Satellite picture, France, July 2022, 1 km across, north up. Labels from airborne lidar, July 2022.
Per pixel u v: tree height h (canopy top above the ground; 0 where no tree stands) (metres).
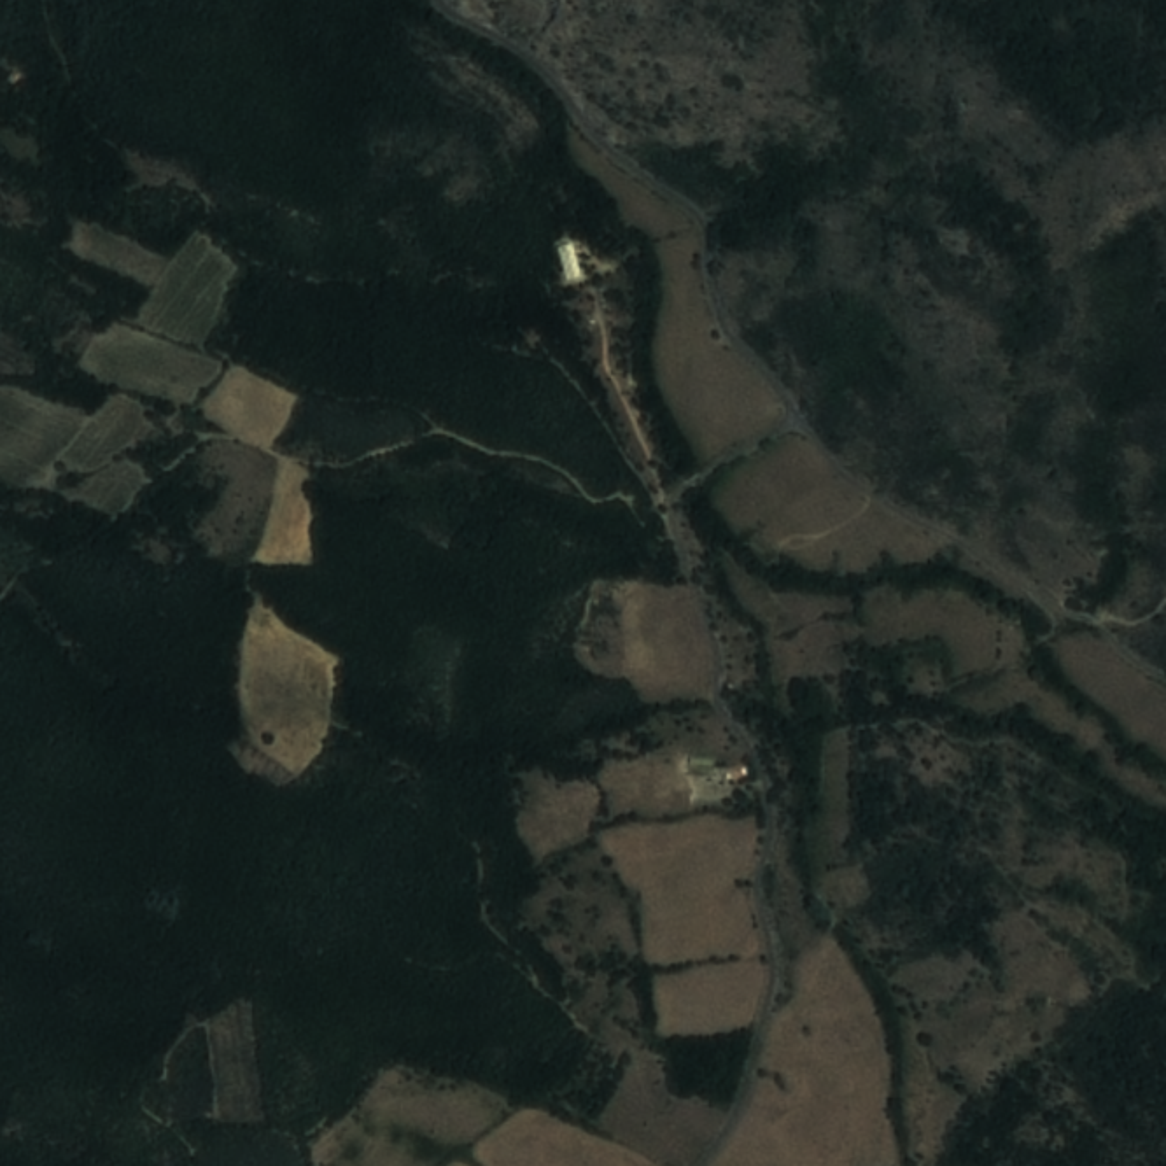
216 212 5
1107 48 7
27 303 7
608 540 8
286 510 0
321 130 9
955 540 0
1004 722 11
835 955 0
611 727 12
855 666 8
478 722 6
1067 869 0
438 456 7
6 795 10
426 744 9
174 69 6
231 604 7
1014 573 0
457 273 8
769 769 9
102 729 14
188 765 6
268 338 7
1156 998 9
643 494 6
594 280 8
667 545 7
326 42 17
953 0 8
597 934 0
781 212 8
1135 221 7
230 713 7
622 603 0
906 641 7
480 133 6
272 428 0
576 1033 8
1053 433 0
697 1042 9
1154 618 8
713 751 0
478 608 8
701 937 0
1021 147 0
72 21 8
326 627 7
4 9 6
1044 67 9
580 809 0
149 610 10
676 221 0
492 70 12
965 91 0
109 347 0
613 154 0
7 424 0
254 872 7
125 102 6
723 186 10
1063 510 0
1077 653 0
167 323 0
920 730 10
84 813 8
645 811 0
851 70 5
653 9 0
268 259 10
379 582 6
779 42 0
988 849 0
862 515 0
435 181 8
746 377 0
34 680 10
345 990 8
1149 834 14
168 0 11
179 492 9
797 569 8
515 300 13
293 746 0
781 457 0
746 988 0
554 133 8
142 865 8
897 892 8
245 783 7
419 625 7
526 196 11
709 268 11
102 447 0
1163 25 7
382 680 10
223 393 0
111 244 0
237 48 7
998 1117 6
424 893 10
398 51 10
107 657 7
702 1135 0
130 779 10
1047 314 7
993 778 8
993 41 7
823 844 0
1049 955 0
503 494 8
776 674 0
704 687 0
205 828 7
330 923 9
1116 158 0
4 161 7
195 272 0
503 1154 0
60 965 10
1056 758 15
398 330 14
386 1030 7
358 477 7
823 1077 0
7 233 9
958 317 0
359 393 7
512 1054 8
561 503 8
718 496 0
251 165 7
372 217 7
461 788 10
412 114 8
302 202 10
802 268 6
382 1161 0
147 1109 6
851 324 9
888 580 7
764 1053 0
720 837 0
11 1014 7
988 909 9
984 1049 0
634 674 0
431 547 7
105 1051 6
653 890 0
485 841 11
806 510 0
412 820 14
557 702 9
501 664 8
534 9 0
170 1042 7
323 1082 7
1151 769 9
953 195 7
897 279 0
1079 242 0
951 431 0
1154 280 7
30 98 8
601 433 7
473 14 0
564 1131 0
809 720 9
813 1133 0
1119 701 0
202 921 8
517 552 8
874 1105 0
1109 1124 8
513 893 7
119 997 7
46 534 9
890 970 6
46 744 8
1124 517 7
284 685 0
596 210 12
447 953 10
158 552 0
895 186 6
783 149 12
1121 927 9
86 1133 6
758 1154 0
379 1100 0
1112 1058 6
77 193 9
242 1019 0
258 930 7
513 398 6
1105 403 8
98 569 6
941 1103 0
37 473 0
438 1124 0
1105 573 10
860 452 0
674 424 6
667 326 0
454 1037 10
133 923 6
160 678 8
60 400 8
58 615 8
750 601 0
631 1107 0
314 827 11
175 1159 6
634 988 7
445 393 10
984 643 0
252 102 6
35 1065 9
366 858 6
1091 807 9
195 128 8
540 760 13
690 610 0
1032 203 0
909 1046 0
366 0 11
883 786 6
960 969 0
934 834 8
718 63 0
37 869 6
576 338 6
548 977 9
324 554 8
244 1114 0
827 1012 0
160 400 8
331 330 10
